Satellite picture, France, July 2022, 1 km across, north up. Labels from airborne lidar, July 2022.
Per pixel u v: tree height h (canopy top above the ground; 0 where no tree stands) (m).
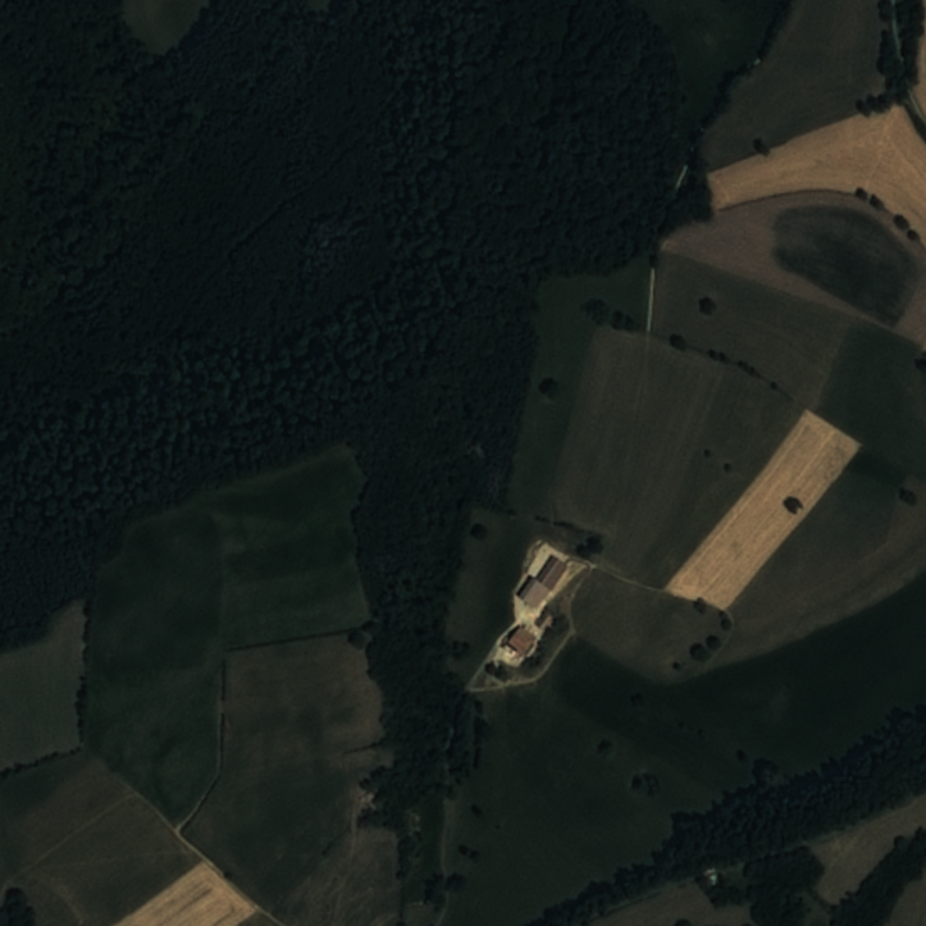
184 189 25
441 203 33
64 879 0
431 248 32
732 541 0
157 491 17
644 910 0
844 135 0
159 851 0
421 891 0
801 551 0
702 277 0
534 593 0
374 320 31
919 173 0
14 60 31
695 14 0
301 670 0
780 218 0
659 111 22
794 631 0
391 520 17
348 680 0
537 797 0
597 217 26
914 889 0
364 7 21
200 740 0
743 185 0
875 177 0
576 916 23
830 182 0
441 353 25
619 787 0
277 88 26
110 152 31
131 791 0
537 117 9
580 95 22
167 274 20
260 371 31
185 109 30
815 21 0
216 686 0
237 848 0
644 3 0
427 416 19
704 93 0
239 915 0
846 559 0
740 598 0
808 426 0
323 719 0
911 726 28
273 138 14
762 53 13
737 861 14
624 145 28
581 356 0
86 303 34
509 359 29
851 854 0
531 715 0
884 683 0
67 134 32
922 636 0
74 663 0
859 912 14
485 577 0
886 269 0
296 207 15
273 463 20
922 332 0
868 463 0
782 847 15
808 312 0
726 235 0
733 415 0
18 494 29
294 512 0
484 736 20
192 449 29
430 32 24
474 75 24
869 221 0
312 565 0
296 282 13
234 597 0
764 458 0
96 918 0
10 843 0
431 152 29
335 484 0
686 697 0
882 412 0
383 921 0
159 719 0
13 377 25
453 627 0
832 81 0
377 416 20
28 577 17
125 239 19
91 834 0
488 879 0
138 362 13
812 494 0
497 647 0
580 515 0
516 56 27
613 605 0
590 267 20
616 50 18
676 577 0
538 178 30
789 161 0
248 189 12
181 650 0
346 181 14
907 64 9
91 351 22
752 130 0
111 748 0
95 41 17
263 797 0
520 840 0
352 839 0
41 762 6
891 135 0
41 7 25
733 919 0
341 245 25
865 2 0
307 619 0
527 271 30
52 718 0
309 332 12
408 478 16
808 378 0
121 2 22
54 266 28
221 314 19
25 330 16
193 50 28
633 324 18
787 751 0
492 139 32
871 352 0
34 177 33
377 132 18
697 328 0
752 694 0
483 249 27
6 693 0
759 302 0
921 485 0
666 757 0
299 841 0
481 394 30
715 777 0
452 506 26
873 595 0
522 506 0
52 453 30
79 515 25
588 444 0
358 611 0
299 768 0
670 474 0
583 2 14
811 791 32
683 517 0
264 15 23
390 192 22
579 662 0
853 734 0
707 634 0
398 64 29
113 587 0
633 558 0
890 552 0
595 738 0
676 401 0
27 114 33
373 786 12
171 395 38
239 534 0
